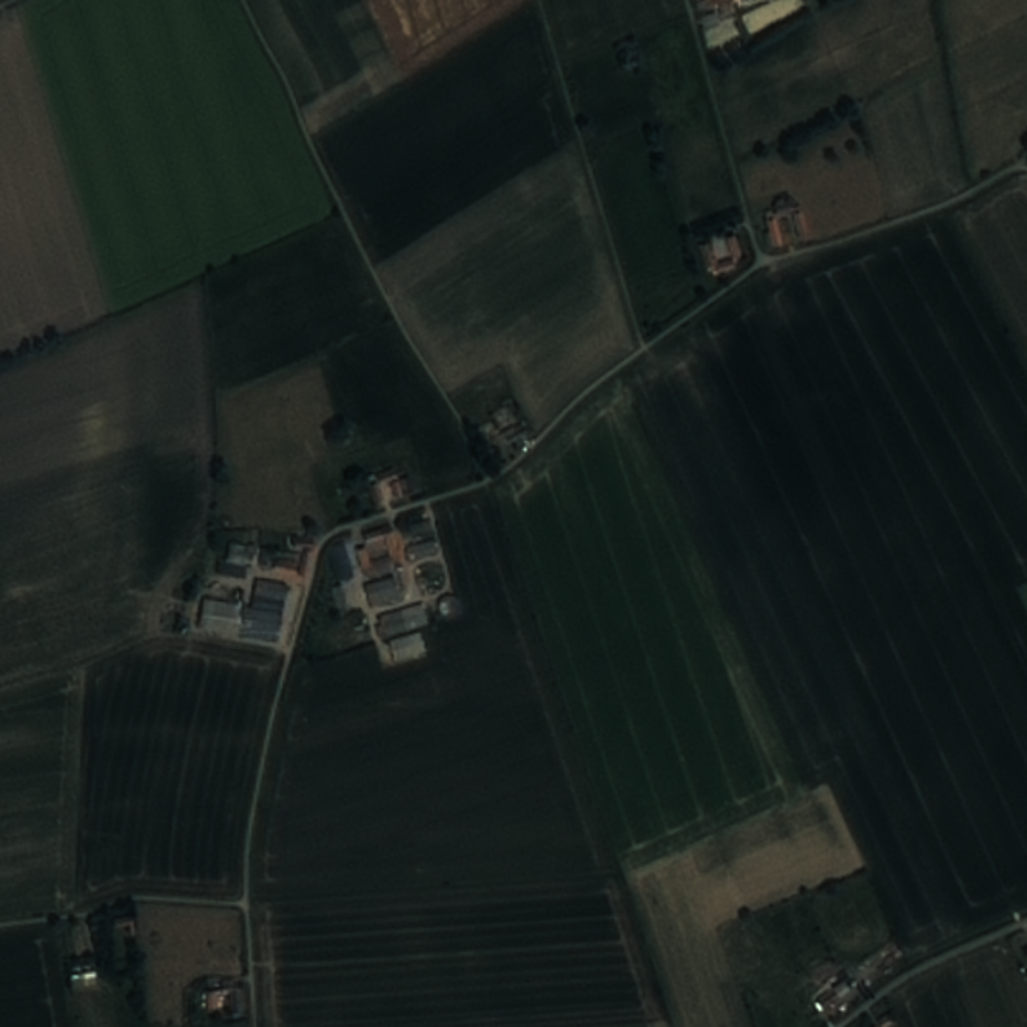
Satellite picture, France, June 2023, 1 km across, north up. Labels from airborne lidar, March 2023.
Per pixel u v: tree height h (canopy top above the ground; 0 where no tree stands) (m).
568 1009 0
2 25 0
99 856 0
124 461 0
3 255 0
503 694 0
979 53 0
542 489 0
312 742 0
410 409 0
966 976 0
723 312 0
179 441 0
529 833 0
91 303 0
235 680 0
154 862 0
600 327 0
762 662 0
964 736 0
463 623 0
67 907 0
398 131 0
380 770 0
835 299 0
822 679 0
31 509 0
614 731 0
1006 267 0
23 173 0
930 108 0
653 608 0
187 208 0
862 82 0
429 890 0
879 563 0
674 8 0
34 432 0
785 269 0
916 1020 0
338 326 0
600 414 0
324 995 0
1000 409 0
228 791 0
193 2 0
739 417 0
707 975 0
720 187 0
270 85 0
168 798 0
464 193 0
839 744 0
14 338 0
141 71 0
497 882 0
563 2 0
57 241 0
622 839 0
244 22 0
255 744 0
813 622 0
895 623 0
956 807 0
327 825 0
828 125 16
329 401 0
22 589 0
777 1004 0
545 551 0
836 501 0
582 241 0
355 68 0
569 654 0
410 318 0
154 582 0
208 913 0
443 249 0
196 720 0
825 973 0
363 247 0
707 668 0
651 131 14
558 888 0
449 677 0
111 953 15
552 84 0
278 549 8
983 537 0
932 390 0
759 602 0
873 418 0
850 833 0
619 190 0
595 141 0
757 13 0
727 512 0
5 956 0
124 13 0
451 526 0
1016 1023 0
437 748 0
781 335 0
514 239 0
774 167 0
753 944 0
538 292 0
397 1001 0
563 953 0
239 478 0
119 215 0
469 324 0
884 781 0
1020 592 0
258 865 0
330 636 0
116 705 0
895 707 0
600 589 0
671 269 0
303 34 0
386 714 0
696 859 0
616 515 0
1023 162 0
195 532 0
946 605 0
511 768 0
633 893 0
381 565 0
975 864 0
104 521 0
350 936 0
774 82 0
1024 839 0
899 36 0
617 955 0
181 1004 0
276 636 6
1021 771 0
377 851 0
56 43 0
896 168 0
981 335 0
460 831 0
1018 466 0
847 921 0
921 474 0
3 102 0
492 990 0
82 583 0
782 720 0
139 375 0
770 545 0
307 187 0
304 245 0
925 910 0
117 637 0
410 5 0
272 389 0
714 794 0
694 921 0
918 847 0
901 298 0
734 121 0
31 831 0
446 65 0
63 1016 0
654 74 0
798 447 0
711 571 0
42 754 0
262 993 0
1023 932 0
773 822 0
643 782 0
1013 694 0
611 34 0
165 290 0
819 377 0
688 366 0
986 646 0
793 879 0
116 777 0
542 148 0
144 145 0
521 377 0
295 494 0
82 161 0
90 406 0
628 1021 0
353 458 0
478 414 0
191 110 0
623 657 0
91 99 0
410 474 0
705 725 0
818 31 0
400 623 0
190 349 0
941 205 0
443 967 0
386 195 0
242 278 0
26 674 0
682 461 0
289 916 0
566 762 0
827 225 0
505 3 0
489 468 24
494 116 0
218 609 0
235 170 0
